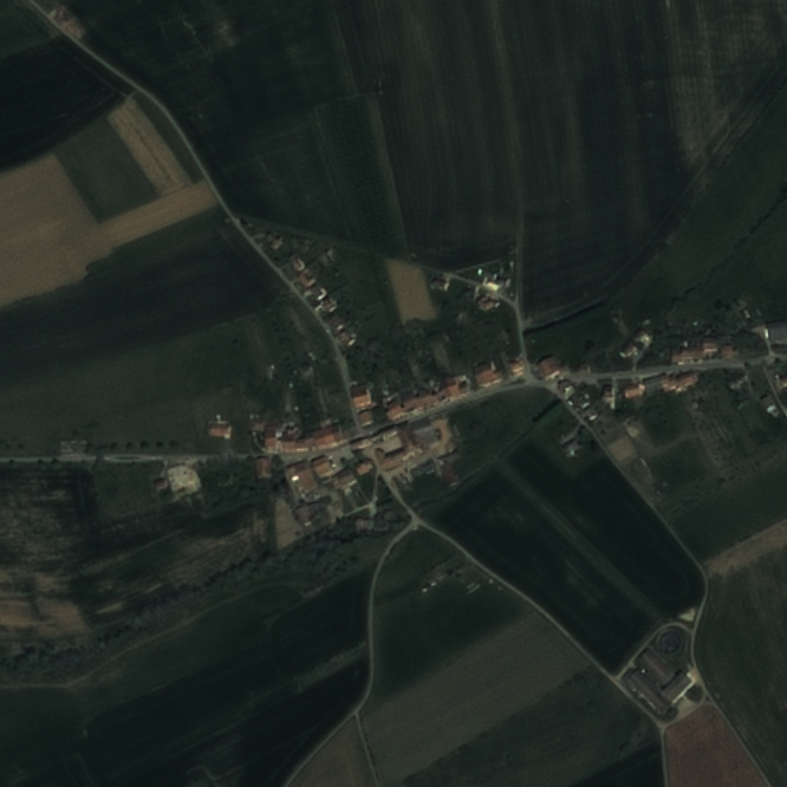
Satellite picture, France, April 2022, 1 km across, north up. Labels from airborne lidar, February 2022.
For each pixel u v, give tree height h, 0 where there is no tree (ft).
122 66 0
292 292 0
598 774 0
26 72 0
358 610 0
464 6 0
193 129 0
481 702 0
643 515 0
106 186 0
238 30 0
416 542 0
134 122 0
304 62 0
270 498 0
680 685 0
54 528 0
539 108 0
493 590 0
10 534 0
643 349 0
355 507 0
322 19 0
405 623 0
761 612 0
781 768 0
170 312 0
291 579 0
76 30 0
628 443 0
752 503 0
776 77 0
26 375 0
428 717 0
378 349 41
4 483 0
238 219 0
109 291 0
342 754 0
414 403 0
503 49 0
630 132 0
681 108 0
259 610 0
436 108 0
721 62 0
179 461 0
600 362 40
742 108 0
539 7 0
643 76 0
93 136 0
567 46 0
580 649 0
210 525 0
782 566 0
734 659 0
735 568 0
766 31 0
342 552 48
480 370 0
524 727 0
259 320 0
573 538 0
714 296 0
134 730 0
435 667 0
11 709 0
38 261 0
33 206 0
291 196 0
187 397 0
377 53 0
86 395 0
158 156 0
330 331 0
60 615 0
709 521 0
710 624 0
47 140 0
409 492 0
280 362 0
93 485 0
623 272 0
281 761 0
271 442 0
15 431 0
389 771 0
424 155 0
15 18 0
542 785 0
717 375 28
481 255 0
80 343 0
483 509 0
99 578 0
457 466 0
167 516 0
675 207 0
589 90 0
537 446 0
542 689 0
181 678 0
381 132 0
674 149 0
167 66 0
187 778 0
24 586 0
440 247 0
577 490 0
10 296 0
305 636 0
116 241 0
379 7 0
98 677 0
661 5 0
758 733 0
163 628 0
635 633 0
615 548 0
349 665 0
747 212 0
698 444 0
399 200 0
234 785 0
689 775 0
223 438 0
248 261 0
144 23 0
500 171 0
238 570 49
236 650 0
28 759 0
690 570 0
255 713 0
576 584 0
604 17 0
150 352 0
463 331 22
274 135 0
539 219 0
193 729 0
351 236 0
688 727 0
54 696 0
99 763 0
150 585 0
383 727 0
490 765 0
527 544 0
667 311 0
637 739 0
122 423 0
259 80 0
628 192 0
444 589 0
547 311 0
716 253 0
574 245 0
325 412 0
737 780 0
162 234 0
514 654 0
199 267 0
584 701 0
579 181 0
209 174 0
